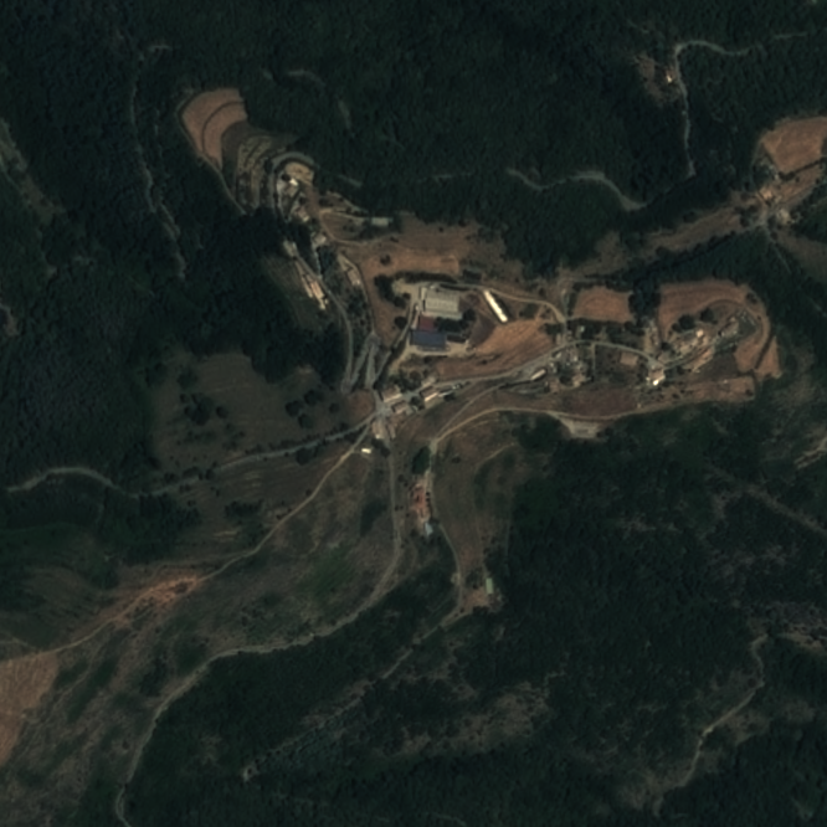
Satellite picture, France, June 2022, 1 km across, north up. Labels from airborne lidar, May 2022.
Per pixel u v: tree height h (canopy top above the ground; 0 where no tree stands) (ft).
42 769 0
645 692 48
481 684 22
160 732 36
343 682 23
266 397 0
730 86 43
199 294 50
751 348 0
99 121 27
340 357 57
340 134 38
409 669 23
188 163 21
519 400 0
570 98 28
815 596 49
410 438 0
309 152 42
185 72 24
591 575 49
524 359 0
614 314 0
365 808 46
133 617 0
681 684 37
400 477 21
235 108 0
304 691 29
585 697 33
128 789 38
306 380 0
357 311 37
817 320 27
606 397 0
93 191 82
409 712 41
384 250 0
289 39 57
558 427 29
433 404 0
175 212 28
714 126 33
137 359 66
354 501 0
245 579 0
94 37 22
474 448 0
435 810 30
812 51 36
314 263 26
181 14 49
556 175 47
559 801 55
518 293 0
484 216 51
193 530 0
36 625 0
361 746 20
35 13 20
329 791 30
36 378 66
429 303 0
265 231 66
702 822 33
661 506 29
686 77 32
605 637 28
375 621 20
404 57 66
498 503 0
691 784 25
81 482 20
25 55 68
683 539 44
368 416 0
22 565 0
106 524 19
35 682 0
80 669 0
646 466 43
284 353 48
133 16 70
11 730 0
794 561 28
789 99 33
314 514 0
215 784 32
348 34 45
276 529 0
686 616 36
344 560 0
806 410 0
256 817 28
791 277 28
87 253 38
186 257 42
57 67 72
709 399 0
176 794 22
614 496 31
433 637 0
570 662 22
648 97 50
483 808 26
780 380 0
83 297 42
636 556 41
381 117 53
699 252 47
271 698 25
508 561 28
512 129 49
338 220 0
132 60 24
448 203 42
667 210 39
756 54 24
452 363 0
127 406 59
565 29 35
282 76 58
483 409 0
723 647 31
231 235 61
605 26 35
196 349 47
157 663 32
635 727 26
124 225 50
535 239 47
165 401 0
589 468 26
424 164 37
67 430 59
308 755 57
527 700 22
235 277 43
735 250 75
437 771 62
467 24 41
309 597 0
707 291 0
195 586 0
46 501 38
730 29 33
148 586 0
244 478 0
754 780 37
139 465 52
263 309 64
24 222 35
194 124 0
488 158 48
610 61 50
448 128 61
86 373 59
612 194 43
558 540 36
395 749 41
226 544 0
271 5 54
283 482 0
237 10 58
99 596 0
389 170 55
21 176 32
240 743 39
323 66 38
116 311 41
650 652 34
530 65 30
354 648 24
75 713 0
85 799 17
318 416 0
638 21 19
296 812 51
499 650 36
